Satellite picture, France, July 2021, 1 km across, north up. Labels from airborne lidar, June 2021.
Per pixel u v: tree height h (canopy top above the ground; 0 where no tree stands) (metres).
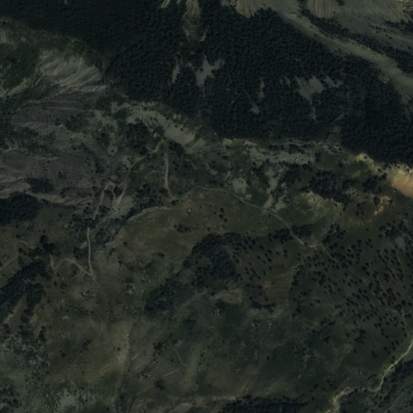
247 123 9
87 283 0
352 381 0
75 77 0
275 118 7
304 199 0
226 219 9
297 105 6
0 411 7
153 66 15
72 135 0
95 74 0
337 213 0
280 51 11
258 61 10
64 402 0
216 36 16
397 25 6
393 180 0
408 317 11
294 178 8
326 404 0
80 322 0
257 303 9
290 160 0
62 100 0
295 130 7
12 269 0
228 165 0
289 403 8
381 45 8
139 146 11
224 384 0
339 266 13
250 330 0
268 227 0
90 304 0
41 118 0
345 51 0
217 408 0
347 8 0
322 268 0
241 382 0
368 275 13
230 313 0
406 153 7
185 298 0
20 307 0
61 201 0
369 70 8
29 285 6
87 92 0
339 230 8
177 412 0
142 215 0
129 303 0
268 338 0
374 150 10
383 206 0
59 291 0
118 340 0
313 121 9
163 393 0
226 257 11
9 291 12
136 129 10
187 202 0
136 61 7
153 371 0
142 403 0
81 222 6
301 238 6
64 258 0
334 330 0
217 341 0
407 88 0
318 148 0
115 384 0
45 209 0
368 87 10
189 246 0
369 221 0
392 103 16
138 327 0
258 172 8
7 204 17
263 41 13
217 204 0
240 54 17
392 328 0
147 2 11
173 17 8
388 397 11
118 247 0
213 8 10
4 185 0
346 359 0
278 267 0
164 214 0
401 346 0
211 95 8
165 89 10
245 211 0
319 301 9
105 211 7
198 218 0
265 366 0
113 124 0
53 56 0
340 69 12
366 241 0
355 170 0
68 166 0
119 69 12
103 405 0
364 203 10
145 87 9
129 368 0
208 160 0
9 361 0
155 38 15
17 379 0
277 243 0
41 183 8
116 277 0
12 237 0
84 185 0
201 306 0
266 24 13
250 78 11
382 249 0
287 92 7
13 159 0
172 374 0
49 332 0
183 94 9
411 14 0
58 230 0
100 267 0
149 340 0
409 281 0
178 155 7
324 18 8
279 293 0
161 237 0
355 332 8
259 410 12
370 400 0
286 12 0
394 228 14
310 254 0
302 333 0
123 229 0
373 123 16
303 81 0
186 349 0
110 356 0
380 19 0
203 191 0
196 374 0
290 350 0
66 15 6
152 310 11
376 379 0
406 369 11
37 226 0
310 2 0
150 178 0
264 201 0
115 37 9
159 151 0
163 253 8
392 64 0
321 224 0
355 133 8
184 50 9
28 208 13
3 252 0
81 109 0
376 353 6
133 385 0
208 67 0
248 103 7
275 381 0
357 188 0
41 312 0
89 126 0
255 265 0
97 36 12
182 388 0
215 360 0
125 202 0
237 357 0
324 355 0
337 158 0
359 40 6
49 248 16
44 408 0
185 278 0
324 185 16
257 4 0
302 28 0
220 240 8
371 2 0
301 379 0
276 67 7
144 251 0
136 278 0
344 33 9
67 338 0
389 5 0
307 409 0
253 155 0
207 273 7
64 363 0
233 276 13
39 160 0
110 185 0
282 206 0
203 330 0
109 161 0
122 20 6
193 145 0
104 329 0
